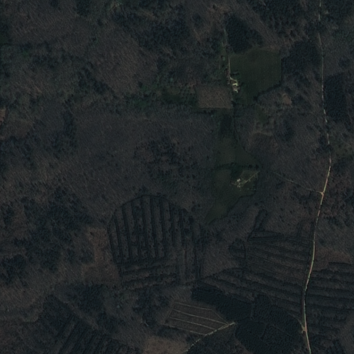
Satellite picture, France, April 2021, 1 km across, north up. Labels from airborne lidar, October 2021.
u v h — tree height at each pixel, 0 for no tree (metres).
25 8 17
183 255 12
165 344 0
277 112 10
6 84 16
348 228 25
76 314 8
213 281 8
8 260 8
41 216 18
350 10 25
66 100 24
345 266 12
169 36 30
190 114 14
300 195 7
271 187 7
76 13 19
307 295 10
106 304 12
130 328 15
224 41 19
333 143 9
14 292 16
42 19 19
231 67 0
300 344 10
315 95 13
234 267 10
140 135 9
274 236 10
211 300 18
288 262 8
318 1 20
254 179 0
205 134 14
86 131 11
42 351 17
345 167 8
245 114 15
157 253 12
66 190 9
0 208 8
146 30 22
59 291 12
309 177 13
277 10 26
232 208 6
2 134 12
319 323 9
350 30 22
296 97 17
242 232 11
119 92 17
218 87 15
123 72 12
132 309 10
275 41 16
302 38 24
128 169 9
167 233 10
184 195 8
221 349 9
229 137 0
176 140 9
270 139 6
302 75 17
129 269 10
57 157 14
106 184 14
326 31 28
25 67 22
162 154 9
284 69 18
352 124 9
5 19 13
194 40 20
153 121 10
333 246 18
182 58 18
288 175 10
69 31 9
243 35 20
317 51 20
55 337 10
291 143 18
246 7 17
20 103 18
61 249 19
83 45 14
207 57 25
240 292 10
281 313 15
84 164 12
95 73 27
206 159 12
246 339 18
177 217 6
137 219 9
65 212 19
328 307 9
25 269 20
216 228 9
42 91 20
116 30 14
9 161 22
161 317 14
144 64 12
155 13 27
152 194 8
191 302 8
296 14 24
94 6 15
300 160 13
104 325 13
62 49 20
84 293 16
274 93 17
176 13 19
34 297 13
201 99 14
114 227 13
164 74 12
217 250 8
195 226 22
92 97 18
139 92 9
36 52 19
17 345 6
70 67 18
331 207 7
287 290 9
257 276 9
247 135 15
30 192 15
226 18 18
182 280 7
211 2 11
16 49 20
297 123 16
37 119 23
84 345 10
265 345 17
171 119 18
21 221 7
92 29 13
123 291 7
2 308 14
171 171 11
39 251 21
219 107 13
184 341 8
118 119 10
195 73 7
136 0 15
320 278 8
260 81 0
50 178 18
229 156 0
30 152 31
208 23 17
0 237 5
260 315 18
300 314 8
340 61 18
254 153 11
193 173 9
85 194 14
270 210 10
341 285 10
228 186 0
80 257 15
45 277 14
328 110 17
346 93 11
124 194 10
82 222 20
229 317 15
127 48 14
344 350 15
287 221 10
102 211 12
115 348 7
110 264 8
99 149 12
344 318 8
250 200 9
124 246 8
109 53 13
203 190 10
